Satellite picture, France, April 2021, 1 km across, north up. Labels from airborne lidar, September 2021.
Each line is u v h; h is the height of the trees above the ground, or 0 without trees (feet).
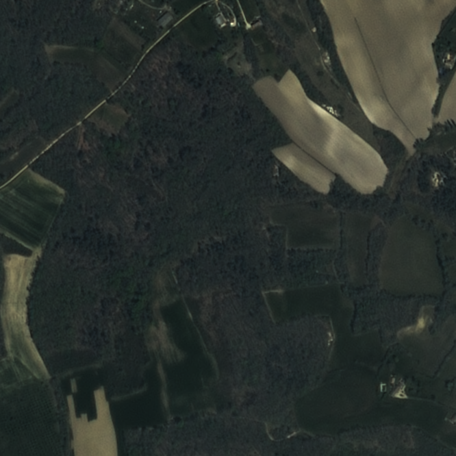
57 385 34
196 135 42
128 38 0
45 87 44
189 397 0
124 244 51
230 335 58
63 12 41
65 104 61
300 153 0
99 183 52
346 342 0
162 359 0
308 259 42
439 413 0
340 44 0
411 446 33
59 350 48
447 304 59
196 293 42
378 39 0
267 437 48
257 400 56
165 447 33
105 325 34
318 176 0
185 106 50
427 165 36
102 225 42
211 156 29
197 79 26
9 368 0
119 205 50
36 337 61
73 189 49
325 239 0
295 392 49
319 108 0
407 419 0
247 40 49
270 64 0
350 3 0
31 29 35
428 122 0
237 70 0
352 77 0
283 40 39
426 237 0
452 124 0
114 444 0
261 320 51
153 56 52
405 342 0
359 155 0
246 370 51
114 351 58
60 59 0
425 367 0
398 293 0
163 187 57
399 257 0
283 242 55
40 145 0
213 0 28
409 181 44
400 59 0
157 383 0
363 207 46
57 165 29
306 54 0
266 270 49
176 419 0
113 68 0
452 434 0
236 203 61
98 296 45
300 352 41
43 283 62
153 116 36
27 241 0
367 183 0
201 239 25
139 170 69
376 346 0
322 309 0
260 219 44
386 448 50
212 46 0
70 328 52
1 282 47
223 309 52
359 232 0
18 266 0
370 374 0
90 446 0
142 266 74
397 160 22
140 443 26
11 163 0
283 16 0
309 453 58
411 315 50
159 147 34
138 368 20
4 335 33
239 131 48
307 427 0
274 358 59
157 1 0
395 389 0
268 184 28
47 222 0
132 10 0
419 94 0
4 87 72
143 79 45
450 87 0
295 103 0
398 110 0
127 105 54
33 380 0
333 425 0
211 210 72
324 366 64
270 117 62
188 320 0
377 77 0
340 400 0
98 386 0
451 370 0
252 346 56
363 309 70
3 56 73
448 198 42
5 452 0
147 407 0
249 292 44
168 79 44
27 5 38
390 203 75
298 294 0
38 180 0
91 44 33
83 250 60
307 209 0
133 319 76
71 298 72
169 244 64
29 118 23
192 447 51
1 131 56
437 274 0
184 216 53
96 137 69
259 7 43
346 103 0
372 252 38
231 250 43
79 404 0
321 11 39
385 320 43
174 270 21
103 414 0
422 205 61
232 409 55
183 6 0
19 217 0
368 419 0
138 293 53
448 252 0
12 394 0
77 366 20
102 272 40
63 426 39
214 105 31
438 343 0
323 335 46
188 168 47
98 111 0
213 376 0
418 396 32
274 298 0
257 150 38
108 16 68
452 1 0
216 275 33
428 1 0
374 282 31
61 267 55
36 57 28
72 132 44
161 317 0
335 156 0
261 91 0
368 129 0
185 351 0
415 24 0
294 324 63
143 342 29
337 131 0
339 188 26
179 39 52
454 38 0
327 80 0
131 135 70
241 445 62
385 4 0
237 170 44
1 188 0
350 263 0
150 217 26
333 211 0
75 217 53
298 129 0
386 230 27
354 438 52
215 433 74
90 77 27
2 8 54
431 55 0
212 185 54
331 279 37
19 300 0
